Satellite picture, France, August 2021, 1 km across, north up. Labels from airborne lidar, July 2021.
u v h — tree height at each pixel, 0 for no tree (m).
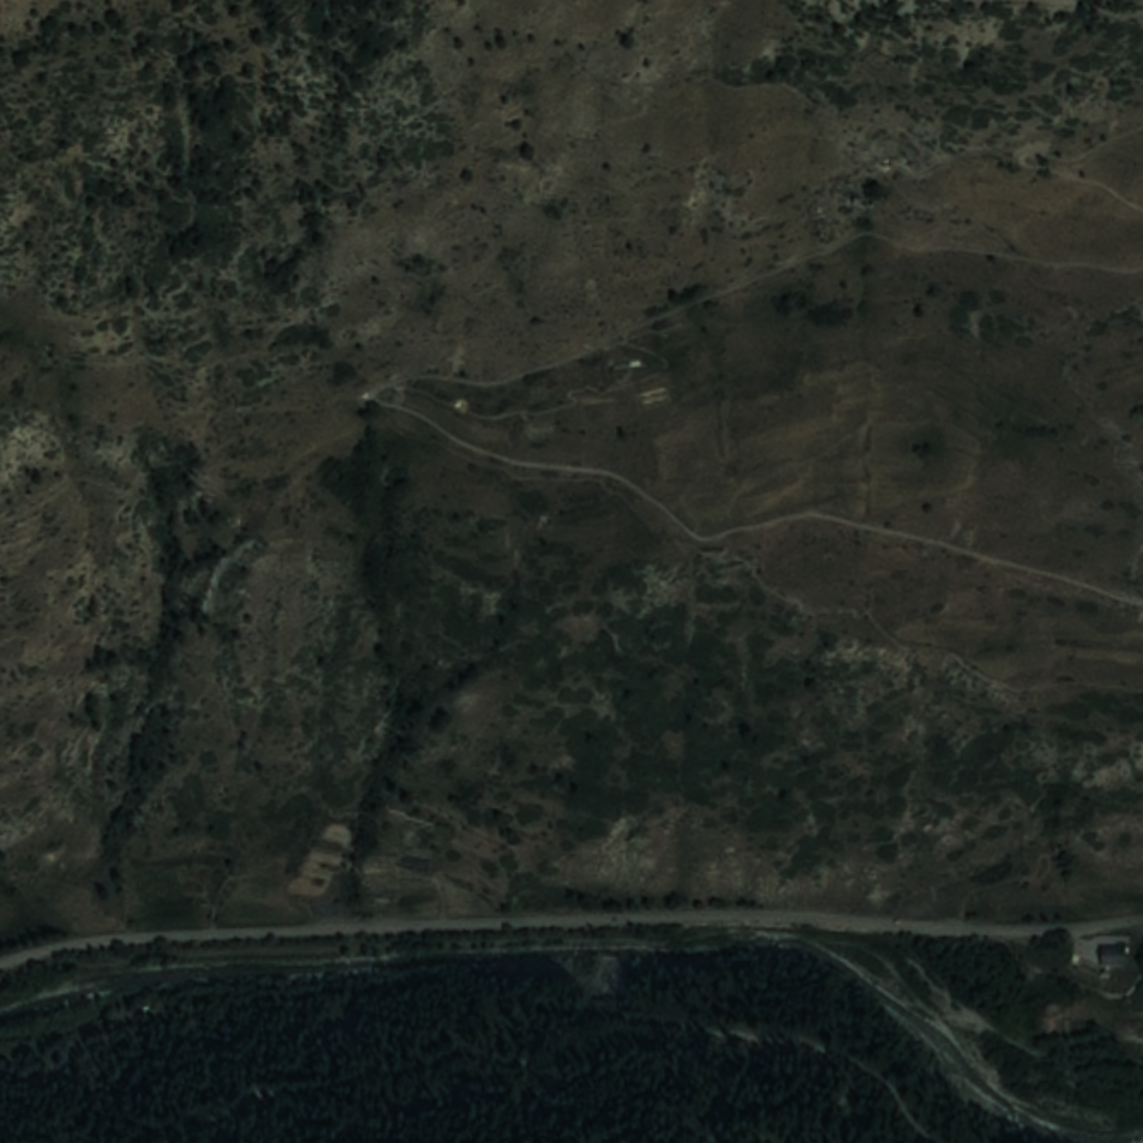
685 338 0
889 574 0
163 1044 21
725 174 0
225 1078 20
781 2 0
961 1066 0
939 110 0
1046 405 0
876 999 10
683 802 0
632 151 0
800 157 0
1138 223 0
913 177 0
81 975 11
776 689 0
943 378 0
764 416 0
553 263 0
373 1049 14
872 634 0
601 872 0
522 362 0
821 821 0
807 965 21
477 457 0
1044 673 0
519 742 0
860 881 0
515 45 0
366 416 14
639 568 0
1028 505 0
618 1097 13
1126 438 0
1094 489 0
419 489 0
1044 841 0
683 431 0
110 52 0
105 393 0
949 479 0
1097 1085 6
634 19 0
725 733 0
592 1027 12
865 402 0
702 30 0
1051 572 0
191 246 12
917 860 0
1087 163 0
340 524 0
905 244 0
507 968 6
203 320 0
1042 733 0
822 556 0
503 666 0
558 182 0
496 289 0
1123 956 0
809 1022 13
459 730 0
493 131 0
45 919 0
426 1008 29
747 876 0
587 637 0
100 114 0
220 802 0
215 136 0
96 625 0
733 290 0
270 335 0
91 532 0
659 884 0
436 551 0
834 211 0
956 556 0
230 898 0
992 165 0
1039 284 0
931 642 0
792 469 0
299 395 0
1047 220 0
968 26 0
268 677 0
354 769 0
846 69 0
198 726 0
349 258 0
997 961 11
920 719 0
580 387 0
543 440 0
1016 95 0
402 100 0
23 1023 12
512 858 0
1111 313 0
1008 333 0
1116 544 0
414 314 0
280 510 0
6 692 0
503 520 0
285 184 0
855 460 0
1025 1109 0
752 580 0
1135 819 0
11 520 0
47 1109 26
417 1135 18
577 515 0
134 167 9
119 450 0
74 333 0
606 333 0
